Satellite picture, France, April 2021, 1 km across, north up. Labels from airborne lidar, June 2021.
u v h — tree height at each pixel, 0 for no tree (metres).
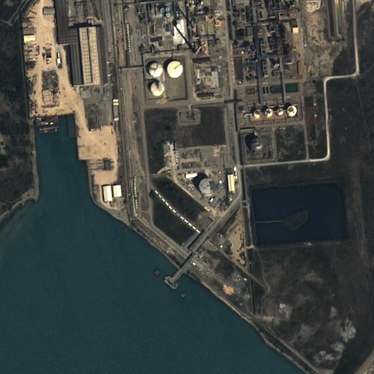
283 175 0
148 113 0
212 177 0
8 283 0
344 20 0
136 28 0
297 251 0
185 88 0
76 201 0
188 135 0
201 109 0
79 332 0
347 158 0
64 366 0
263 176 0
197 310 0
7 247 0
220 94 0
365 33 0
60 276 0
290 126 0
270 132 0
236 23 8
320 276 0
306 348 0
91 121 0
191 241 0
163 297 0
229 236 0
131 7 0
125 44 0
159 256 0
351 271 0
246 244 0
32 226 0
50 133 0
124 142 0
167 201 0
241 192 0
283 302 0
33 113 0
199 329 0
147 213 0
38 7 0
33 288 0
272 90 0
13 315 0
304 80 0
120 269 0
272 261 0
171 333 0
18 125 6
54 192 0
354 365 0
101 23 0
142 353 0
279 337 0
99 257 0
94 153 0
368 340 0
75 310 0
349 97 0
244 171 0
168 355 0
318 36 0
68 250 0
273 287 0
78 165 0
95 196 0
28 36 0
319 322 0
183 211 0
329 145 0
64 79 0
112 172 0
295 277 0
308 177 0
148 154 0
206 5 0
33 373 0
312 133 0
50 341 0
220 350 0
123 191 0
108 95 0
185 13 0
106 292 0
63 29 0
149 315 0
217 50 0
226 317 0
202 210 0
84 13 0
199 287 0
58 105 0
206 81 0
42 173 0
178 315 0
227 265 0
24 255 0
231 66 0
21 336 0
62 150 0
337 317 0
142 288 0
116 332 0
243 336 0
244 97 0
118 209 0
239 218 0
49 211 0
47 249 0
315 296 0
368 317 0
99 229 0
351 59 0
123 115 0
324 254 0
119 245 0
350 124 0
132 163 0
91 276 0
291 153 0
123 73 0
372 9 0
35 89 0
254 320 0
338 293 0
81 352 0
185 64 0
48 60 0
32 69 0
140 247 0
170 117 0
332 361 0
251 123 0
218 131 0
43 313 0
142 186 0
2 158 7
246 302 0
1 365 0
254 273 0
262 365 0
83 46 0
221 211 0
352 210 0
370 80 0
